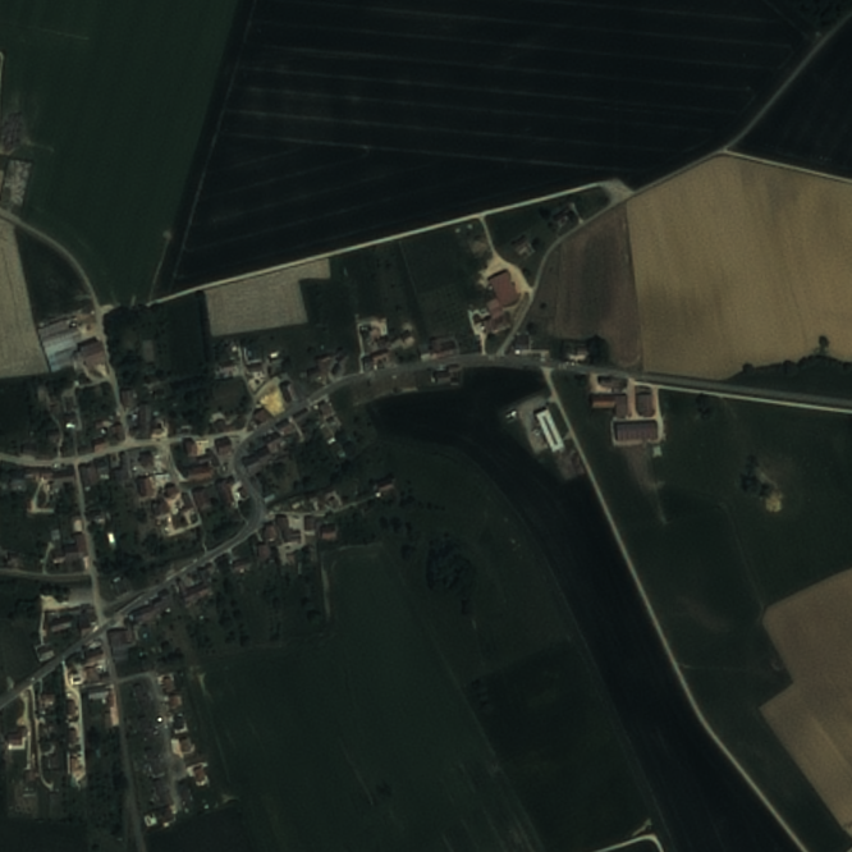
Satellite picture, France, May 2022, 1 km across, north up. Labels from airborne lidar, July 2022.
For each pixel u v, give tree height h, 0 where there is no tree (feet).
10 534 0
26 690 0
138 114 0
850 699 0
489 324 0
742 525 0
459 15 0
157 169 0
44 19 0
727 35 0
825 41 0
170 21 0
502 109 0
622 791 0
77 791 0
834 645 0
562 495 0
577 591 0
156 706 0
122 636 0
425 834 0
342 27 0
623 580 0
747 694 0
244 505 32
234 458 0
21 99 0
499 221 0
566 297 0
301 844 0
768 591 0
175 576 0
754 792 0
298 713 0
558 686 0
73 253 0
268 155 0
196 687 0
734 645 0
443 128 0
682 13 0
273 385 0
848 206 0
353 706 0
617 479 0
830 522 0
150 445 0
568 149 0
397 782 0
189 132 0
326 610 0
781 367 20
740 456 0
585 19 0
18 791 0
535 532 0
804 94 0
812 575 0
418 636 0
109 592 0
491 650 0
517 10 0
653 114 0
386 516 0
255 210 0
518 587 0
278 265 0
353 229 0
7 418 0
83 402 18
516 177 0
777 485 0
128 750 0
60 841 0
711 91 0
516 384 0
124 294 0
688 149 0
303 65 0
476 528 0
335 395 0
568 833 0
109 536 0
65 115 0
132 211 0
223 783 0
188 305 0
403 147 0
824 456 0
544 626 0
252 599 0
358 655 0
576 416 0
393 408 0
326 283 0
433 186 0
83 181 0
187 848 0
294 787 0
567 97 0
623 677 0
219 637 0
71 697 0
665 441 0
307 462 26
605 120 0
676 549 0
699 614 0
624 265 0
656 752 0
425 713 0
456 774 0
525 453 0
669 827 0
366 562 0
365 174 0
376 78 0
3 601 0
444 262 0
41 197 0
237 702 0
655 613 0
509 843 0
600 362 45
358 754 0
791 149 0
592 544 0
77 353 0
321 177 0
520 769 0
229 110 0
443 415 0
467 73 0
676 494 0
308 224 0
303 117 0
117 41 0
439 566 89
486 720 0
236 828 0
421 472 0
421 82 0
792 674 0
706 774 0
